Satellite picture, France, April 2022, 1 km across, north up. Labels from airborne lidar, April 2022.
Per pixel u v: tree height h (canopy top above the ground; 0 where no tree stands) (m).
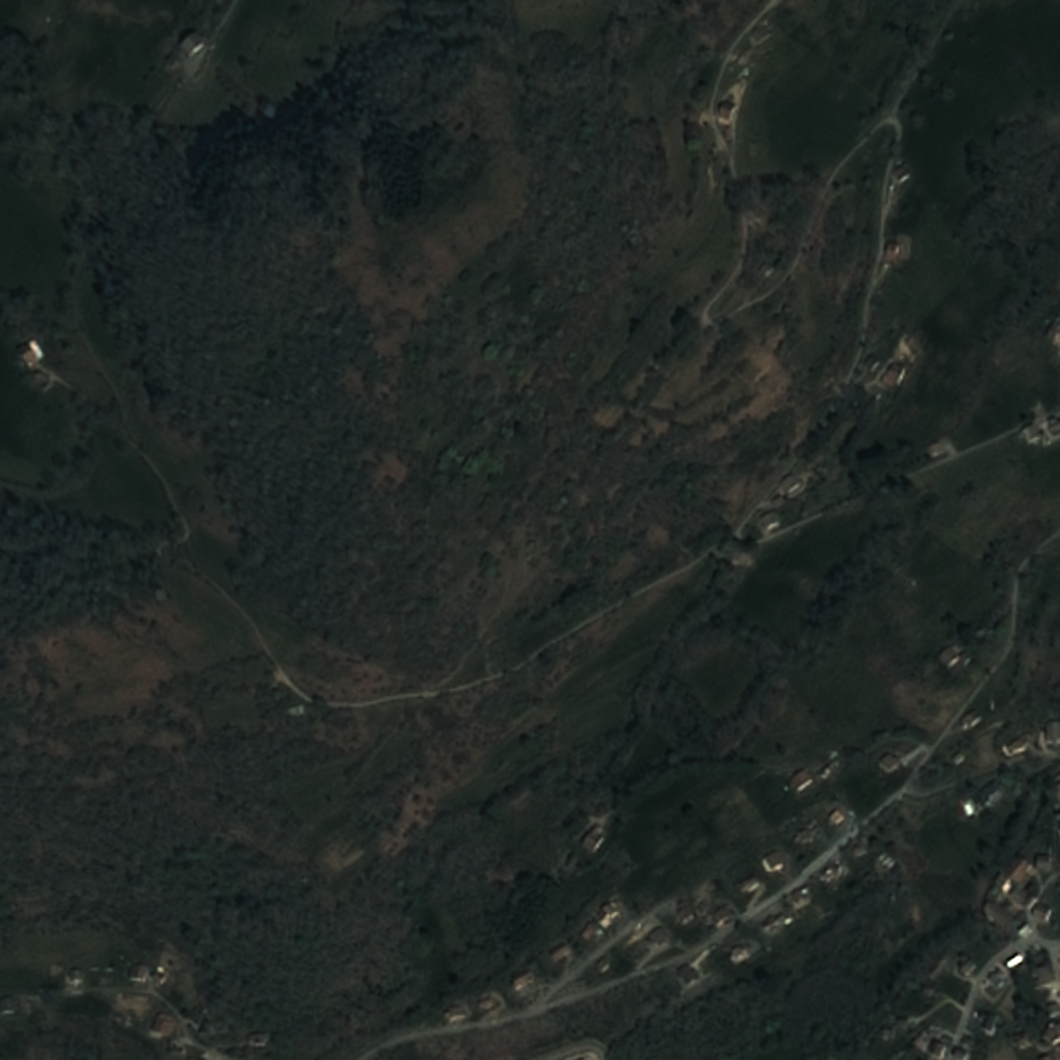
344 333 18
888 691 0
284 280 14
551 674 7
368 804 16
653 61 0
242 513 19
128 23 0
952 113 0
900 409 0
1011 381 0
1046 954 7
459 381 11
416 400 0
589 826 8
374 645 7
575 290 6
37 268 0
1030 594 15
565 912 0
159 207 15
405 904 25
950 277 0
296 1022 20
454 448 9
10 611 16
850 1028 16
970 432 0
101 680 0
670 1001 7
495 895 9
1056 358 0
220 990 16
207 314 14
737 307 0
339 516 11
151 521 0
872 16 0
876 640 0
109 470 0
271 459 15
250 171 25
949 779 9
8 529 22
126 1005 0
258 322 21
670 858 0
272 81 0
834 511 12
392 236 0
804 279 0
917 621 0
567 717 0
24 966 0
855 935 16
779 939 0
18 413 0
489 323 19
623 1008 0
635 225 14
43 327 16
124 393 0
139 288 23
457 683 0
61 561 20
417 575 12
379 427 8
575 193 6
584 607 20
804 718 0
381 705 0
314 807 0
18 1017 11
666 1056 19
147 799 17
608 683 0
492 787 0
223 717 0
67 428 0
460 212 0
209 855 22
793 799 0
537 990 0
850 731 0
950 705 0
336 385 9
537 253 7
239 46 0
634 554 15
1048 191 12
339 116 7
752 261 15
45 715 11
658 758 0
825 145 0
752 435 14
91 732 6
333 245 6
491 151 0
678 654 23
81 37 0
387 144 18
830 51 0
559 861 0
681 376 0
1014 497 0
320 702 18
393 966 17
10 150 22
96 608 13
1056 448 0
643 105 0
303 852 0
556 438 15
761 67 0
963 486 0
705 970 0
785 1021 14
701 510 24
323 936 7
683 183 0
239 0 0
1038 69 0
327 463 18
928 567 0
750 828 0
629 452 14
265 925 20
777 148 0
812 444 15
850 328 7
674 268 0
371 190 16
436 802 0
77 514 0
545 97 6
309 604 10
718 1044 19
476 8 8
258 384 6
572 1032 6
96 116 13
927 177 0
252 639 0
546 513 12
